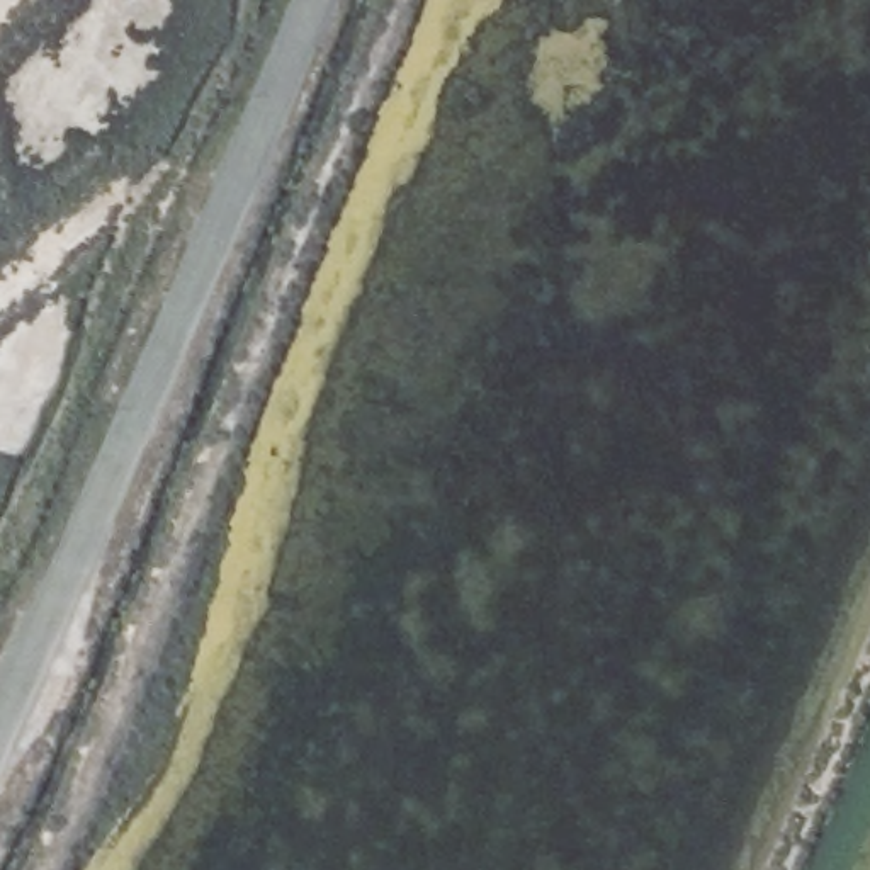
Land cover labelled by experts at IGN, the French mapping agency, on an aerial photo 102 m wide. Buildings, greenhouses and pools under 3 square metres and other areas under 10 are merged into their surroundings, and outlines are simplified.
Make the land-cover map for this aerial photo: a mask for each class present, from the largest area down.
<instances>
[{"label":"water","instance_id":"1","mask_svg":"<svg viewBox=\"0 0 870 870\"><path fill-rule=\"evenodd\" d=\"M585 20L605 24V68L598 75V92L585 105L564 109V119H551L534 102L530 85L537 44L551 34L581 31ZM870 544V0H500V7L476 24L466 51L459 54V65L445 75L428 143L421 146L411 177L398 184L384 204L374 255L336 330L319 394L302 428L299 479L289 500V520L275 544L265 612L241 642L238 669L214 710L190 782L177 795L160 833L136 856L133 870H734L737 853L744 846V833L758 809V795L771 782L778 744L792 731L795 707L802 703L809 680L816 676L819 656L826 653L833 629L839 622L853 564L867 554ZM795 870H870V700L863 703V717L853 727L846 758L839 761L826 805L816 816L809 850L802 853Z\"/></svg>","mask_w":870,"mask_h":870},{"label":"brushwood","instance_id":"2","mask_svg":"<svg viewBox=\"0 0 870 870\"><path fill-rule=\"evenodd\" d=\"M92 7V0H0V275L3 265L31 258L37 234L78 214L95 194L109 190L112 180H139L160 160H167V173L129 214L126 245H116V224L122 214L119 204L109 211L105 224L88 241L75 245L48 279H41L34 289L24 292V299L10 302L0 313V343L20 323L37 319L44 306L68 302V343L58 381L48 401L41 404L27 445L20 452H0V649L14 625V608L31 602L37 581L44 578L51 557L61 547V534L82 496L88 469L105 442L109 421L119 411L133 370L156 330L163 292L173 285L184 265L190 211H204L211 197V170L224 156L234 126L241 122V112L282 27L289 0H170V14L160 27H126L136 44H156V54L146 58V68L156 71L153 82L136 88L122 109H105L99 133L68 129L61 156L44 160L17 139L20 122L7 99V85L34 54L51 58L65 48L68 27ZM367 17V0H347L330 58L316 78V88L299 126L292 129L289 153L275 173V190L258 214L251 251L245 255L241 272L228 292L218 330L214 347L201 367L197 394L177 428L170 459L156 483L146 523L139 530V544L129 554V568L112 595V605L99 632L88 639V666L82 669L68 707L58 710L48 720V727L54 731L51 761L37 778L34 795L20 822L14 826L7 853L0 860V870H31L41 829L65 826L68 775L82 744V727L95 714V703L105 690V673L116 659V646L122 639L133 602L146 588L156 534L170 527V513L180 506L184 489L194 483V455L201 449L197 438L214 401L218 381L224 367L234 364V343H251L245 316L265 289L272 238L285 231L289 201L299 190L309 163H323L330 150L323 143L326 112L340 102V75L353 54L357 27ZM428 0H411L401 41L387 58L370 102L353 116L350 153L336 163V173L323 190L316 231L302 245V268L282 296L268 364L255 377L248 418L238 425V449L228 452L207 513L190 537V557L173 591V612L167 622V636L156 649V666L139 683L136 703L126 714L116 744L105 754L95 805L85 819L82 836L68 846V863L61 870H85L95 850L105 843L116 816L143 812L177 751L184 720L177 717V703L190 686L197 646L207 629V612L221 578V557L228 551L231 517L245 489L251 445L258 438L272 387L299 336L302 306L330 251V234L340 224V214L350 201L381 109L394 92L398 71L415 44V31L421 24ZM856 666L863 676L860 693H829L819 734L805 748V771L795 778L788 805H782L775 839L768 843L758 870H795L802 853L809 850L816 816L826 805L839 761L846 758L853 727L863 717V703L870 700V653H856Z\"/></svg>","mask_w":870,"mask_h":870},{"label":"pervious surface","instance_id":"3","mask_svg":"<svg viewBox=\"0 0 870 870\"><path fill-rule=\"evenodd\" d=\"M170 14V0H92V7L68 27L65 48L51 58L34 54L7 85V99L20 122L17 139L44 160L61 156L68 129L99 133L105 109H122L136 88L153 82L156 71L146 68V58L156 54V44H136L126 27H160ZM500 7V0H428L421 24L415 31V44L398 71L394 92L381 109L350 201L340 214V224L330 234V251L302 306L299 336L272 387L258 438L251 445L245 489L231 517L228 551L221 557V578L207 612V629L197 646L190 686L177 703V717L184 720L177 751L143 812L116 816L105 843L95 850L85 870H133L136 856L160 833L177 795L190 782L214 710L238 669L241 642L265 612L275 544L289 520V500L299 479L302 428L319 394L336 330L374 255L384 204L398 184L411 177L421 146L428 143L445 75L459 65V54L466 51L476 24ZM605 24L585 20L581 31L551 34L537 44L530 85L534 102L551 119H564V109L585 105L598 92V75L605 68ZM129 180H112L109 190L95 194L78 214L37 234L31 258L3 265L0 275V313L10 302L24 299V292L34 289L41 279H48L75 245L88 241L105 224L109 211L119 204L126 201ZM68 343V302L44 306L37 319L20 323L0 343V452H20L27 445L41 404L48 401L58 381ZM856 653H870V544L867 554L853 564L839 622L833 629L826 653L819 656L816 676L809 680L802 703L795 707L792 731L778 744L771 782L758 795V809L744 833V846L737 853L734 870H758L768 843L775 839L782 805H788L795 778L805 771V748L819 734L829 693H860L863 676L856 666ZM95 595L82 591L68 632L61 629L51 642L48 666L41 669V680L31 690L34 710L27 707L14 720L0 754V795L10 768L31 751V744L48 727V720L58 710L68 707L82 669L88 666V639L85 629Z\"/></svg>","mask_w":870,"mask_h":870},{"label":"herbaceous vegetation","instance_id":"4","mask_svg":"<svg viewBox=\"0 0 870 870\"><path fill-rule=\"evenodd\" d=\"M411 0H367V17L357 27L353 54L340 75V102L326 112L323 143L330 150L323 163H309L299 190L289 201L285 231L272 238L265 289L245 316L251 343H234V364L224 367L218 381L214 401L197 438L201 449L194 455V483L184 489L180 506L170 513V527L156 534L146 588L133 602L122 639L116 646V659L105 673V690L95 703V714L82 727V744L68 775L65 826L41 829L31 870H61L68 863V846L82 836L85 819L95 805L105 754L116 744L126 714L136 703L139 683L156 666V649L167 636V622L173 612V591L190 557V537L207 513L228 452L238 449V425L248 418L255 377L268 364L282 296L302 268V245L316 231L323 190L336 173V163L350 153L353 116L370 102L387 58L401 41ZM167 173V160H160L139 180H129L126 201L119 204L122 214L116 224V245H126L129 214ZM218 330L204 323L194 336V370L180 381L163 415L160 435L146 445L139 459V469L116 517L112 540L105 547V564L95 595L85 629L88 639L99 632L112 605V595L129 568V554L139 544V530L146 523L156 483L170 459L177 428L197 394L201 367L214 347ZM54 731L48 727L31 744V751L10 768L0 795V860L7 853L14 826L20 822L34 795L37 778L51 761Z\"/></svg>","mask_w":870,"mask_h":870},{"label":"impervious surface","instance_id":"5","mask_svg":"<svg viewBox=\"0 0 870 870\"><path fill-rule=\"evenodd\" d=\"M347 0H289L282 27L241 112V122L234 126L224 156L211 170V197L204 211H190L184 265L173 285L163 292L156 330L133 370L119 411L109 421L105 442L88 469L82 496L61 534V547L51 557L44 578L37 581L31 602L14 608V625L0 649V754L14 720L27 707L34 710L31 690L41 680V669L48 666L51 642L61 629L68 632L82 591L95 595L105 564V547L112 540L116 517L139 469V459L146 445L160 435L163 415L180 381L194 370V336L204 323L218 330L228 292L241 272L245 255L251 251L258 214L275 190V173L289 153L292 129L299 126L316 88V78L330 58Z\"/></svg>","mask_w":870,"mask_h":870}]
</instances>
